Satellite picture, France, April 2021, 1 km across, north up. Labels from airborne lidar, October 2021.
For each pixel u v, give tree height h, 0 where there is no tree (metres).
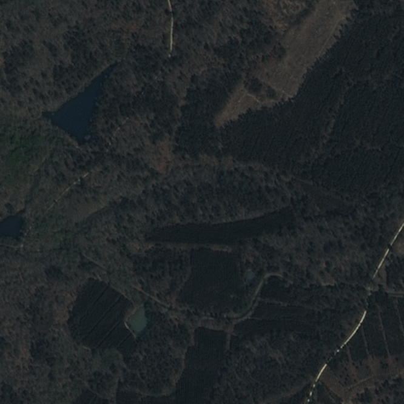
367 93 23
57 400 20
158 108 19
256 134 19
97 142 17
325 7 0
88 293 13
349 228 30
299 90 0
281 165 17
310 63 0
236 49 27
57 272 12
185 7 13
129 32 10
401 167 22
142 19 10
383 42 21
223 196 23
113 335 15
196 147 22
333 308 27
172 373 30
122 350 15
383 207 29
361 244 24
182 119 10
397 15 20
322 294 25
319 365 22
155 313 14
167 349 27
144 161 16
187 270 28
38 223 19
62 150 8
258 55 9
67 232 19
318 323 10
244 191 20
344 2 0
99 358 25
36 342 11
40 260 22
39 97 25
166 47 16
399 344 9
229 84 16
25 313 10
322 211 11
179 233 13
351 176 22
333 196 14
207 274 12
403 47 22
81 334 14
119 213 26
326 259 13
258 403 22
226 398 12
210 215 21
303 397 9
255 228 14
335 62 19
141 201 13
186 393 14
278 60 10
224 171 27
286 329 12
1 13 15
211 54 24
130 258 20
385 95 20
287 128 18
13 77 25
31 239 19
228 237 14
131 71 20
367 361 9
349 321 26
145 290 29
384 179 18
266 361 20
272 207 30
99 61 20
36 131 10
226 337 12
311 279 24
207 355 11
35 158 19
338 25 0
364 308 12
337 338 22
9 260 18
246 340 12
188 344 23
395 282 24
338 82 22
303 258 11
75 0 9
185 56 10
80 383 7
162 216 20
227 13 16
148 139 14
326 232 24
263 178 10
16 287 7
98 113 22
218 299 13
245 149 20
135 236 18
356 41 19
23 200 15
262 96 6
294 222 15
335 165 21
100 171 14
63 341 15
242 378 24
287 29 10
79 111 0
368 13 12
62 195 11
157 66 13
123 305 13
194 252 12
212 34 18
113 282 21
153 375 23
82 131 0
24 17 11
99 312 15
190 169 18
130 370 21
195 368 11
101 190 17
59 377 15
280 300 12
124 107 15
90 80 22
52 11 10
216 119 13
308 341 24
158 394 26
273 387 23
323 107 20
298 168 20
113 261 22
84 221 8
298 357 26
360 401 14
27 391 7
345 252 29
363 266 12
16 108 12
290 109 22
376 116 20
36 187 10
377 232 10
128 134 12
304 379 22
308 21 0
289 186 16
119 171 15
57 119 0
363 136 21
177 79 11
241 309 15
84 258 16
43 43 12
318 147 18
